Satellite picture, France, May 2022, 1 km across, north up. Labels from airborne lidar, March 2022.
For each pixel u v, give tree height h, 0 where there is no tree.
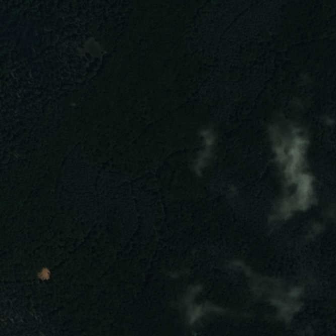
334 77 19
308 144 27
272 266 23
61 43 23
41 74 26
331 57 20
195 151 23
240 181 23
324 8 18
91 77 15
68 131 22
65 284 26
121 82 23
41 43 21
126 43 22
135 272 32
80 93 20
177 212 28
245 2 21
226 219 26
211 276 25
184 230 24
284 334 24
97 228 31
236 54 25
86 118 22
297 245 33
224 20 27
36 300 27
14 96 12
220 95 23
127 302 25
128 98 24
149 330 24
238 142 25
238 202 24
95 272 29
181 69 19
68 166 27
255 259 24
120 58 19
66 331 25
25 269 31
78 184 29
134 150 27
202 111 26
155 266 29
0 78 28
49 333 25
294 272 24
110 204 29
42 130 18
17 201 22
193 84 20
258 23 24
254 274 26
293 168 21
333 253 25
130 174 25
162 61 25
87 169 28
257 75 23
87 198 27
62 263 27
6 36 29
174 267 27
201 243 27
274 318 24
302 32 26
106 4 11
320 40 22
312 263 31
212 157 25
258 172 24
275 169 20
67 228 28
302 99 21
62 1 26
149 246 32
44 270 0
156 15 24
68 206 29
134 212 26
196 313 23
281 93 30
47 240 23
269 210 27
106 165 26
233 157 28
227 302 21
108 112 24
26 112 36
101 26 13
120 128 28
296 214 16
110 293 27
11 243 18
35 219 19
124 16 10
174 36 24
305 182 22
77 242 29
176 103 26
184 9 24
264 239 23
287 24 18
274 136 14
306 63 23
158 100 27
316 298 28
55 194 21
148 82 21
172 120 27
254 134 27
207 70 26
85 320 27
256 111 29
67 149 19
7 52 26
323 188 23
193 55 27
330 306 15
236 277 25
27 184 22
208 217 28
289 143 0
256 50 29
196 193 26
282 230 21
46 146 17
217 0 19
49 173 22
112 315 23
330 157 24
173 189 24
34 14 8
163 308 22
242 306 22
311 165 25
